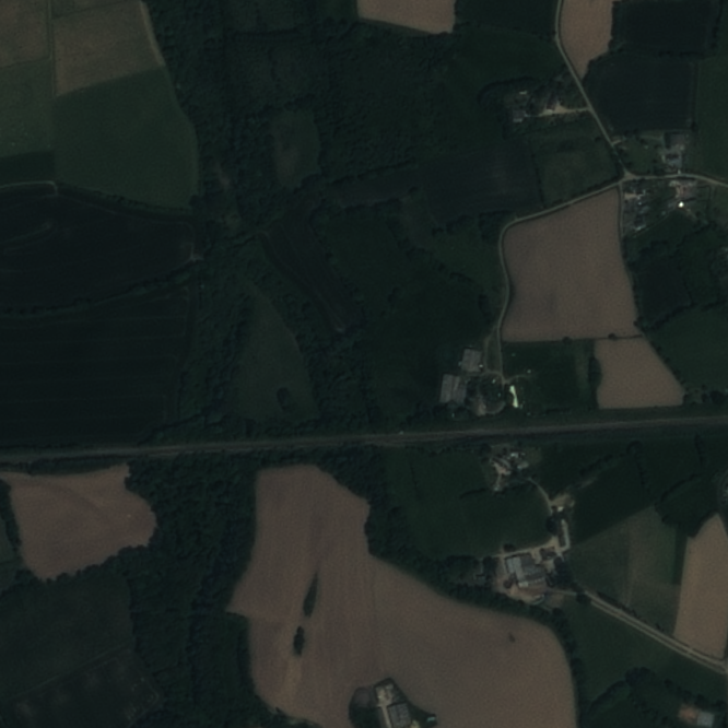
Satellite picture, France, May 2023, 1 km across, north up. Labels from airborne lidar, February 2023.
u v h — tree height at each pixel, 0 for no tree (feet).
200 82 23
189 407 33
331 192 46
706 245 0
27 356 0
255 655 0
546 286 0
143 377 0
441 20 0
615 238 0
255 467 49
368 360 22
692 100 0
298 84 0
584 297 0
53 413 0
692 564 0
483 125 0
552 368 0
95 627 0
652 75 0
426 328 0
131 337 0
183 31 29
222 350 21
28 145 0
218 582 81
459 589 50
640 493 0
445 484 0
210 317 33
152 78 0
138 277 0
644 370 0
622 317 0
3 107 0
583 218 0
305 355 45
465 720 0
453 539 0
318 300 0
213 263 55
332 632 0
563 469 0
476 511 0
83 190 0
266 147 44
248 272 23
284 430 21
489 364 0
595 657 0
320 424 42
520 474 20
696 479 35
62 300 0
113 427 0
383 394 0
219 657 24
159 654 83
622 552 0
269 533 0
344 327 0
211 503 31
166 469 19
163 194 0
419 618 0
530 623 0
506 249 0
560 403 0
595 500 0
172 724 75
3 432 0
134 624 43
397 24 0
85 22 0
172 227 0
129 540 0
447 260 0
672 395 0
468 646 0
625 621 0
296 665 30
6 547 0
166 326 0
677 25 0
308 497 0
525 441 0
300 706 0
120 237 0
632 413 0
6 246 0
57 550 0
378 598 0
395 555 24
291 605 0
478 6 0
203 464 38
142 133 0
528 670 0
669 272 0
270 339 0
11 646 0
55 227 0
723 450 0
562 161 0
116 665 0
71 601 0
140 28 0
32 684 0
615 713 0
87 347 0
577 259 0
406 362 0
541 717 0
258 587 0
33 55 0
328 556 0
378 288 0
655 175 32
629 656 0
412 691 0
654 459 0
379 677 0
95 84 0
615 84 0
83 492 0
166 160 0
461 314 0
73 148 0
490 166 0
